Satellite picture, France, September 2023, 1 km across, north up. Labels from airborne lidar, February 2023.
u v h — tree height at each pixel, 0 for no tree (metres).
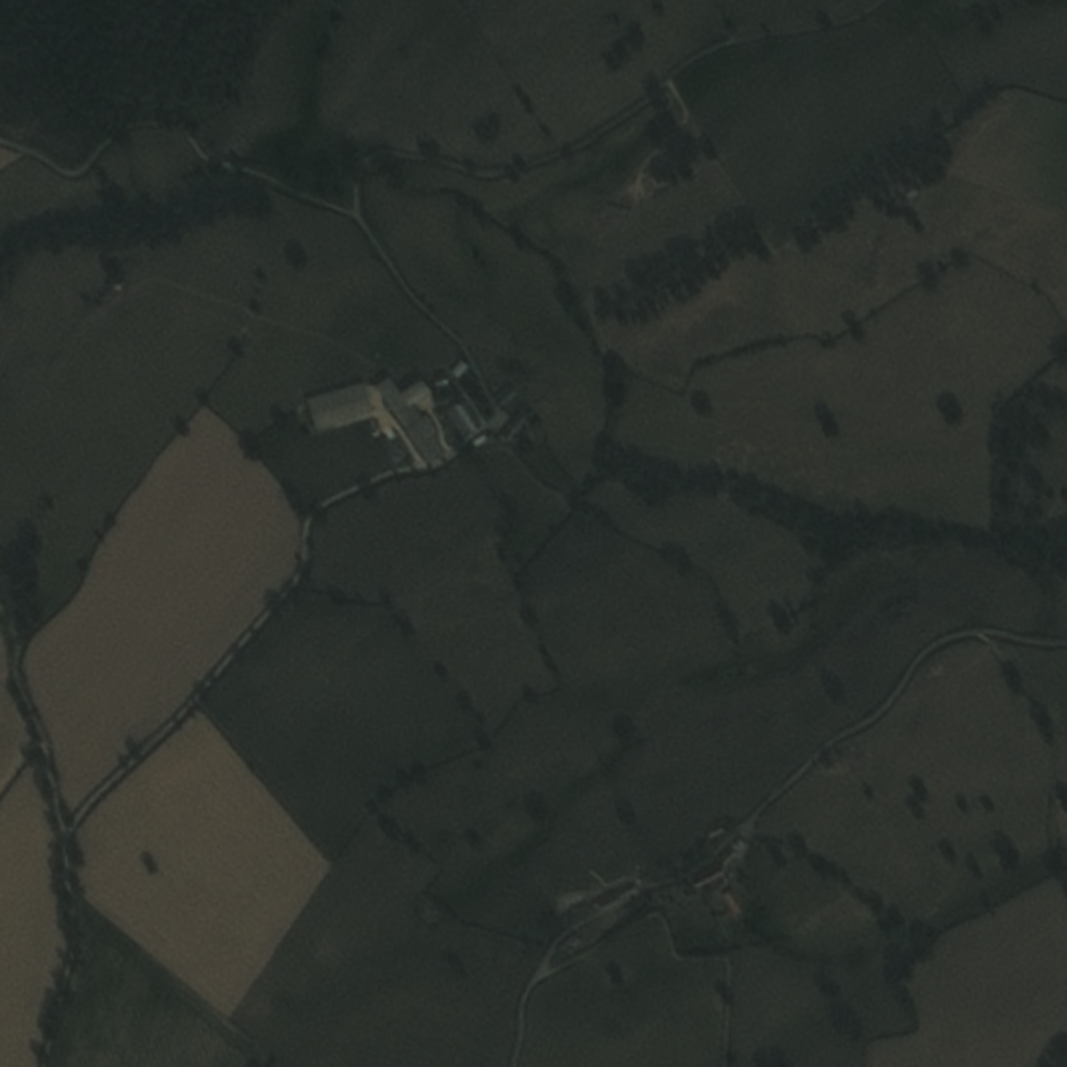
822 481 0
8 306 0
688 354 0
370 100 0
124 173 0
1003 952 0
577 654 0
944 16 0
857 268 0
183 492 0
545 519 0
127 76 21
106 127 8
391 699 0
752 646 0
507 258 0
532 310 0
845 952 0
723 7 0
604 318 11
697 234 0
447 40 0
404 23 0
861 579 0
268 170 0
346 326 0
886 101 0
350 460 0
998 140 0
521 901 0
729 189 0
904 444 0
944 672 0
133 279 0
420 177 0
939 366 0
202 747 0
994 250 0
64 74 27
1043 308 0
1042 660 0
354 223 0
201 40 24
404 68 0
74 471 0
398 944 0
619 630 0
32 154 0
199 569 0
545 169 0
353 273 0
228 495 0
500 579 0
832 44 0
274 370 0
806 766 0
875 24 0
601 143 0
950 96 0
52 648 0
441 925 0
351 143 0
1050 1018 0
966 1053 0
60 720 0
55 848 10
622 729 14
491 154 0
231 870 0
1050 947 0
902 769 0
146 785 0
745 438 0
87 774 0
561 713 0
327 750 0
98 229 22
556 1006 0
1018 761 0
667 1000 0
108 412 0
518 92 8
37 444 0
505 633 0
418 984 0
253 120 0
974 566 0
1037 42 0
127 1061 0
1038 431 18
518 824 0
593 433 0
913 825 0
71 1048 0
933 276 15
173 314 0
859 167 0
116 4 21
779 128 0
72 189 0
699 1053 0
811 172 0
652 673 0
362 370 0
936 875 0
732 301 0
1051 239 0
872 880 0
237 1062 0
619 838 0
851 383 0
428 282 0
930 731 0
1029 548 11
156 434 0
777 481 0
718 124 0
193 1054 0
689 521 0
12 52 30
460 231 0
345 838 0
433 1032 0
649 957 0
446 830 0
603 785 0
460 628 0
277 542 0
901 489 0
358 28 0
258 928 0
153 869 10
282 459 0
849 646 0
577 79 0
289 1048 0
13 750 0
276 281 0
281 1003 0
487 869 0
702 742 0
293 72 0
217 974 0
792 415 0
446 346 0
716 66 0
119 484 0
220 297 0
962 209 0
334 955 0
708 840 7
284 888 0
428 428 0
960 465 0
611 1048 0
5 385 0
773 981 0
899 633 0
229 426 0
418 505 0
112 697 0
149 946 0
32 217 0
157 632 0
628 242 0
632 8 0
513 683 0
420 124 0
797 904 0
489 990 0
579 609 0
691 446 0
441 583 0
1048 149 0
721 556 0
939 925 0
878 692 0
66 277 0
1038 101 0
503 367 0
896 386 0
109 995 0
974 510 0
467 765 0
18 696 13
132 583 0
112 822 0
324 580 0
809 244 9
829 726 0
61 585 0
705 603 0
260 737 0
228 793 0
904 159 14
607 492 0
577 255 0
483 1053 0
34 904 0
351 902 0
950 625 0
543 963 0
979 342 0
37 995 0
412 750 0
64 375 0
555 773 0
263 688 0
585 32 0
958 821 0
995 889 0
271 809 0
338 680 0
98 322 0
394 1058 0
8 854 0
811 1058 0
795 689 0
